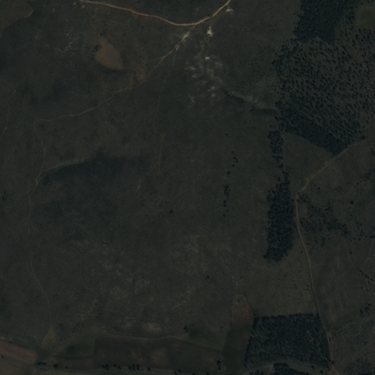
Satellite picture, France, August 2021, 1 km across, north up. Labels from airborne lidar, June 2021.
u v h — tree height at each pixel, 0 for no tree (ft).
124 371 0
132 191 0
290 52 39
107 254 0
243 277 0
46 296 0
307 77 34
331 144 56
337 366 0
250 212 0
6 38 0
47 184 0
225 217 33
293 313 0
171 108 0
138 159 0
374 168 0
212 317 0
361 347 0
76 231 0
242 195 0
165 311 0
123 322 0
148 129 0
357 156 0
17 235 0
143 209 0
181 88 0
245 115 0
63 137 0
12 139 0
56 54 0
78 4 0
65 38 0
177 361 0
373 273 0
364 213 0
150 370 32
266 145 0
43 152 0
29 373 0
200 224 0
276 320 49
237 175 0
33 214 0
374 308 0
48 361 0
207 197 0
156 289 0
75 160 0
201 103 0
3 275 0
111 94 0
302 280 0
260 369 0
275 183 0
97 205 0
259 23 0
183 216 0
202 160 0
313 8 35
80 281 0
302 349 52
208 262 0
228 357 0
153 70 0
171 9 0
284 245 50
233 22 0
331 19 50
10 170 0
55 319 0
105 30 0
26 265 0
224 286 0
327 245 0
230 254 0
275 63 33
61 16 0
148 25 0
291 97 51
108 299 0
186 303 0
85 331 0
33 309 0
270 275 0
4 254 0
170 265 0
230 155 0
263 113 0
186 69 0
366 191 0
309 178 0
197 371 0
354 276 0
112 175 0
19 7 0
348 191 0
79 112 0
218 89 0
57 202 0
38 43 0
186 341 0
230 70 0
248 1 0
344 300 0
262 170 0
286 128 48
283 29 0
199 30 0
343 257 0
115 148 0
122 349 0
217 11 0
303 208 0
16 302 0
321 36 25
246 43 0
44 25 0
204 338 0
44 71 0
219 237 0
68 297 0
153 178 0
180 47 0
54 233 0
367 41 57
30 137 0
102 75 0
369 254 0
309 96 40
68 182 0
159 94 0
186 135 0
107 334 0
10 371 0
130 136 0
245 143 0
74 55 0
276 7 0
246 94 0
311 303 0
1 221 0
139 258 0
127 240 0
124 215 0
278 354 42
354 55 0
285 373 45
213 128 0
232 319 0
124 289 0
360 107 46
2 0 0
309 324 35
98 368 0
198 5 0
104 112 0
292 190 0
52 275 0
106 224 0
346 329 0
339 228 18
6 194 42
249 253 0
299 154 0
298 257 0
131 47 0
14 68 0
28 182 0
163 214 0
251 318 0
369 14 0
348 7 36
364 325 0
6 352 0
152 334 0
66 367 22
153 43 0
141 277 0
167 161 0
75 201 0
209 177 0
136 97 0
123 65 0
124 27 0
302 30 28
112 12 0
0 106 0
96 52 0
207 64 0
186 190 0
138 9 0
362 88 44
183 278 0
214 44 0
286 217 59
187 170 0
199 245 0
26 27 0
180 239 0
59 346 0
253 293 0
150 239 0
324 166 0
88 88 0
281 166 37
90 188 0
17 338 0
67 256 0
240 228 0
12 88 0
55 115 0
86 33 0
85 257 0
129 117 0
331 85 38
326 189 0
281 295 0
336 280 0
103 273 0
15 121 0
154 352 0
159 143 0
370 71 43
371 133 0
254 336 56
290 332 51
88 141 0
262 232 0
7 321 0
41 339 0
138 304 0
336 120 22
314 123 45
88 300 0
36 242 0
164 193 0
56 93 0
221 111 0
